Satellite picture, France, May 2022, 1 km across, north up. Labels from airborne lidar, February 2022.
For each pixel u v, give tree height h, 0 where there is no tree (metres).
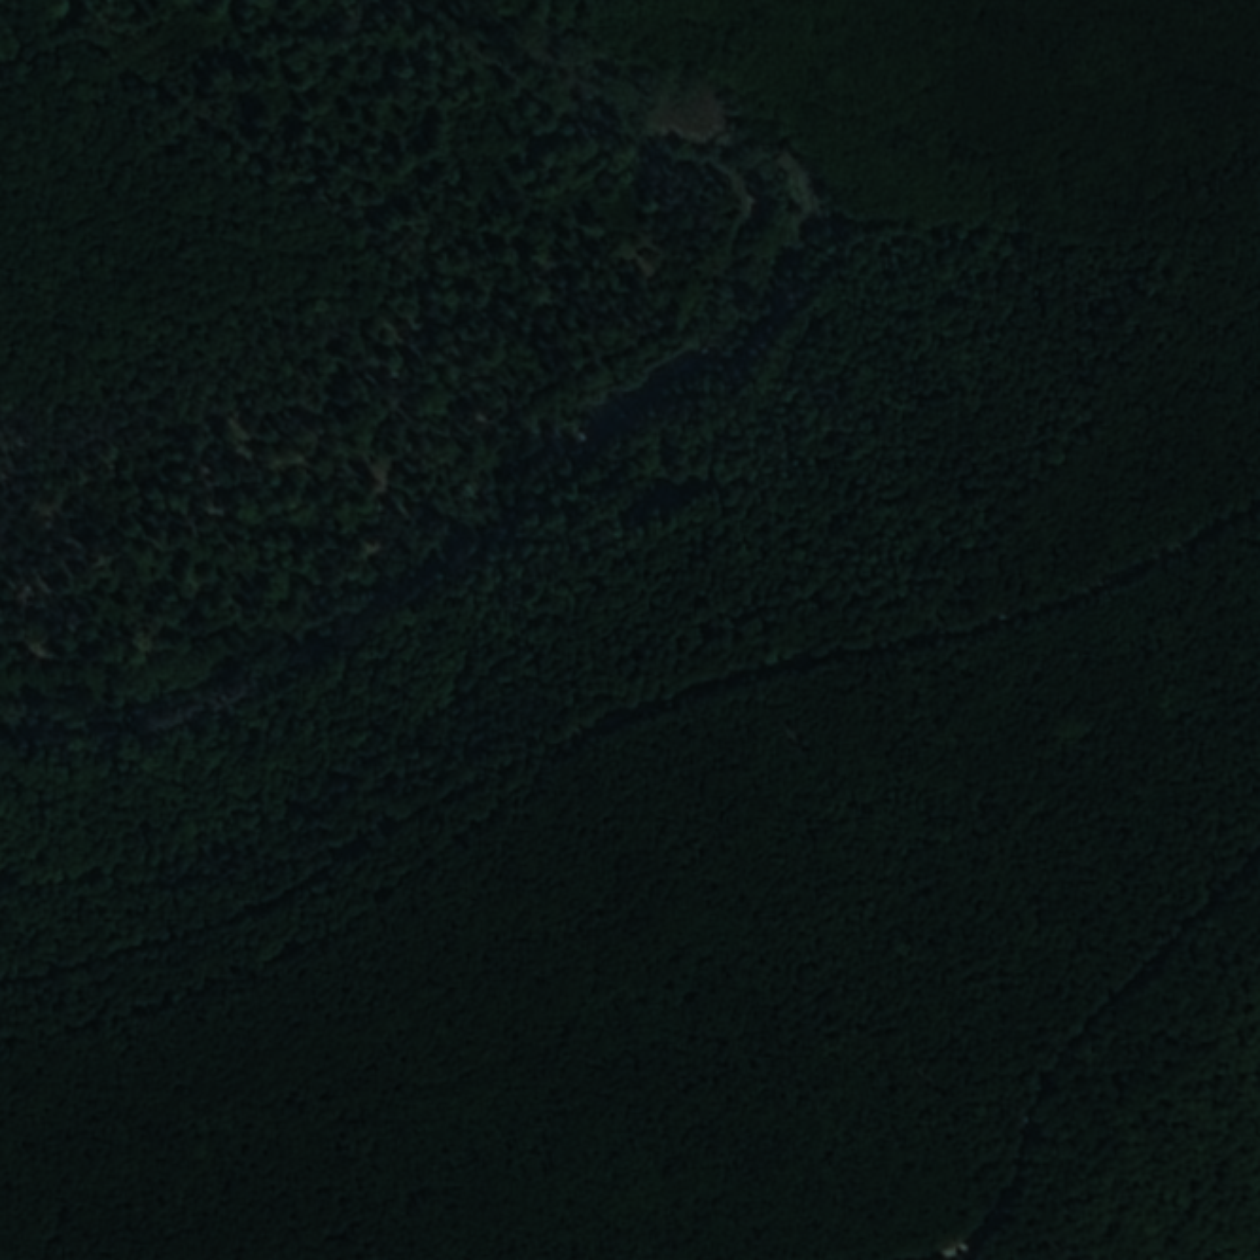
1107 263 23
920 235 29
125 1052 22
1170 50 16
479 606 31
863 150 21
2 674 22
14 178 25
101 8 36
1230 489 21
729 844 17
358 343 29
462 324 36
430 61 35
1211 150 15
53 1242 21
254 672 17
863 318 28
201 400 28
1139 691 22
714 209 9
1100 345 28
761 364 33
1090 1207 29
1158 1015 28
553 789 21
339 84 19
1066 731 22
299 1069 24
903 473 31
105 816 30
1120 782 22
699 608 30
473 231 9
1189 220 23
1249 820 24
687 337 26
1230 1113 32
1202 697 20
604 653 28
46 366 25
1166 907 21
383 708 33
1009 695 19
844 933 19
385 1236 20
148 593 21
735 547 33
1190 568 20
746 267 14
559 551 32
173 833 30
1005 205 25
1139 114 17
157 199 29
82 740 30
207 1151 26
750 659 21
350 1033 25
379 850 27
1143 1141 31
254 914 30
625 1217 18
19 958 31
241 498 35
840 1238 18
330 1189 23
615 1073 21
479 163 18
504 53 36
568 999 22
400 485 25
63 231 29
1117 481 23
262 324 29
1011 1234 30
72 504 10
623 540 30
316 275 27
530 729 32
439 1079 17
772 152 25
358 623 36
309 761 30
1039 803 20
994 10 13
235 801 27
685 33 16
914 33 15
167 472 31
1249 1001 32
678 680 22
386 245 30
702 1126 22
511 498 10
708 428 31
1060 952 24
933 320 26
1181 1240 32
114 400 27
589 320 29
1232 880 23
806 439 30
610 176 34
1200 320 22
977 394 26
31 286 24
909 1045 23
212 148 32
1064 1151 28
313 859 27
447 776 32
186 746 30
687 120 0
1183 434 21
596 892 21
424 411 40
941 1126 18
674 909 20
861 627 26
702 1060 22
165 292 26
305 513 10
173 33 10
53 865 29
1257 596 19
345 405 27
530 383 40
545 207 14
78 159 26
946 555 27
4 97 27
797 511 31
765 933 20
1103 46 21
